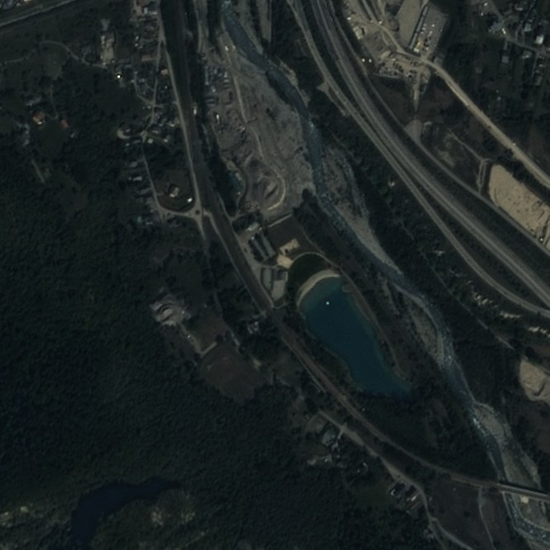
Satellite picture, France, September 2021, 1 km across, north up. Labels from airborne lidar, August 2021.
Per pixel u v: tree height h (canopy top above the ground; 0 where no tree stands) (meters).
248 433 14
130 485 6
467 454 11
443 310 6
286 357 0
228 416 10
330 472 6
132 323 11
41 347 19
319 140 0
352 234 0
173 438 9
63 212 10
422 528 7
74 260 10
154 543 9
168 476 7
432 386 11
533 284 0
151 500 7
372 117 0
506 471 0
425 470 12
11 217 9
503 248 0
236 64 0
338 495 18
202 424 10
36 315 17
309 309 0
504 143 0
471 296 6
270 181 0
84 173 15
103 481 9
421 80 0
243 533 10
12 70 0
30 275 12
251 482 12
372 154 8
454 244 0
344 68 0
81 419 14
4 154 14
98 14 9
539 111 0
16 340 16
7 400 16
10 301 15
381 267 0
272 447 16
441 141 0
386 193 6
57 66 0
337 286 0
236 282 0
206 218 0
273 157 0
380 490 0
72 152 11
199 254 7
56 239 12
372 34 0
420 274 9
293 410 0
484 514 0
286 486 12
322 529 14
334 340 0
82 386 17
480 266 0
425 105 0
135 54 8
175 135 7
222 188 11
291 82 0
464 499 0
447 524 0
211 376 0
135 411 10
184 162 7
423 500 0
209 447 11
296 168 0
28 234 9
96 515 6
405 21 0
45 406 9
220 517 15
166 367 15
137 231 22
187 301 7
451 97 0
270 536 8
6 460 15
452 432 28
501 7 0
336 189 0
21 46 0
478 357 7
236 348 12
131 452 9
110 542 12
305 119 0
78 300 14
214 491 17
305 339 8
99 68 0
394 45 0
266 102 0
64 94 13
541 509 0
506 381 8
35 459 17
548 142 0
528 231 0
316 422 0
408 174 0
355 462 11
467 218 0
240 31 0
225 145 0
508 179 0
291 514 10
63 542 12
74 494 8
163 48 8
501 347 12
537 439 0
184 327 9
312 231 10
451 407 8
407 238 11
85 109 14
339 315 0
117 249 20
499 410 8
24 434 15
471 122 0
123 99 0
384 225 8
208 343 0
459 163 0
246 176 0
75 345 15
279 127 0
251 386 0
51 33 0
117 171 10
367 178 8
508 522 7
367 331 0
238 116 0
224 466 11
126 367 11
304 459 0
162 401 13
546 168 0
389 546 11
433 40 0
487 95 10
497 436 0
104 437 10
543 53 0
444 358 0
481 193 0
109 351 12
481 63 0
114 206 13
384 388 0
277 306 0
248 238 0
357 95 0
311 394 15
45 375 15
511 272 0
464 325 10
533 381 0
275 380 10
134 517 6
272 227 0
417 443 13
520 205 0
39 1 0
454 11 0
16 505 9
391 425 9
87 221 8
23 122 12
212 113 0
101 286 18
